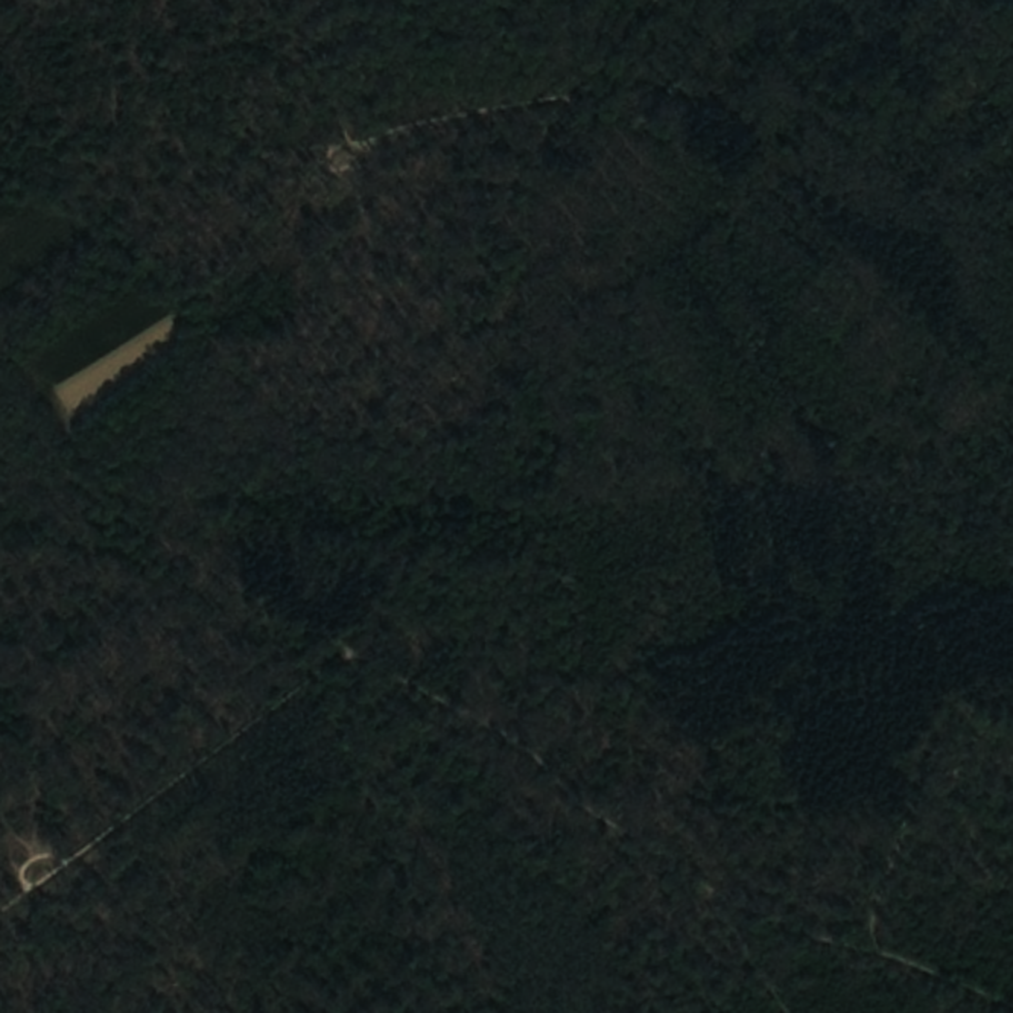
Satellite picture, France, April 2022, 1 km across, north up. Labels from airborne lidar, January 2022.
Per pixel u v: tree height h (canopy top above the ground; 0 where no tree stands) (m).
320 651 27
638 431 25
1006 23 30
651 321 31
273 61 26
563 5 34
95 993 33
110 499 26
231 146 29
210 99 27
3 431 31
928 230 21
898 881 27
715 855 32
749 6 24
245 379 11
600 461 37
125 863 31
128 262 28
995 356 19
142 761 17
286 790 19
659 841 30
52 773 26
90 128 18
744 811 19
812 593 22
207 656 38
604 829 16
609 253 23
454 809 22
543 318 25
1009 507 18
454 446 25
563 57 31
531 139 24
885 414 27
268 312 8
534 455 20
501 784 24
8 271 0
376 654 20
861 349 30
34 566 30
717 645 22
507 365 0
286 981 0
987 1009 9
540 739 22
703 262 24
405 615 24
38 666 36
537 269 23
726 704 26
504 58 33
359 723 28
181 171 24
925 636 25
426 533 23
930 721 24
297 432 28
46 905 27
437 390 32
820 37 25
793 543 24
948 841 26
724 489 22
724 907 23
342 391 32
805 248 23
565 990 25
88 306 21
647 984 14
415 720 25
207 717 31
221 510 27
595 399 27
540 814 29
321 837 26
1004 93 29
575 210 17
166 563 16
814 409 9
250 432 28
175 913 25
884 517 24
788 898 31
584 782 23
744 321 24
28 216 0
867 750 28
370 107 29
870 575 23
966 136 22
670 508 11
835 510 24
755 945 25
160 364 23
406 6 27
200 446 30
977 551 16
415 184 36
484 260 29
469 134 35
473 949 30
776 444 19
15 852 0
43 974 32
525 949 24
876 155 24
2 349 18
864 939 10
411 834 30
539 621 25
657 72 26
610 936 27
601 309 26
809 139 28
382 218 35
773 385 22
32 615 34
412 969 25
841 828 31
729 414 25
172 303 14
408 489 27
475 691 26
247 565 9
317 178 0
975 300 22
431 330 35
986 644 23
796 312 27
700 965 29
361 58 30
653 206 17
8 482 28
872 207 23
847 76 29
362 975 27
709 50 26
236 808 19
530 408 27
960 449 24
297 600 34
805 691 24
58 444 24
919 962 9
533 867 22
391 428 29
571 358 26
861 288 27
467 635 23
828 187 23
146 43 10
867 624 26
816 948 22
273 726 21
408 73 28
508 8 34
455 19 31
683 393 24
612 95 26
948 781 26
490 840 24
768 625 22
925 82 21
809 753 28
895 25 20
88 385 0
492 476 27
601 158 19
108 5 13
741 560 25
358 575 31
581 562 14
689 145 21
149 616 30
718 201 20
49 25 10
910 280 29
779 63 25
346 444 31
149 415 29
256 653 30
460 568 27
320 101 27
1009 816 31
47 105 14
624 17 24
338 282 34
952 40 33
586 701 17
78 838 31
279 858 24
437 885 25
